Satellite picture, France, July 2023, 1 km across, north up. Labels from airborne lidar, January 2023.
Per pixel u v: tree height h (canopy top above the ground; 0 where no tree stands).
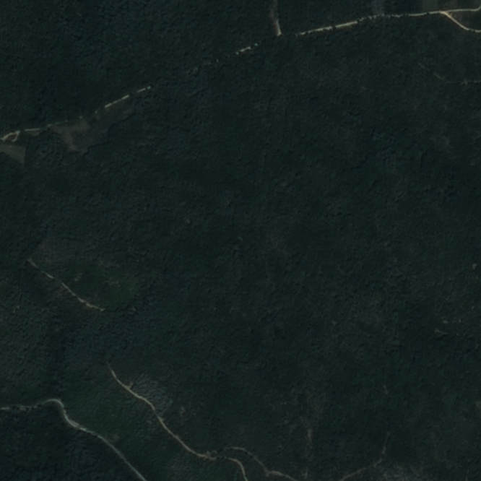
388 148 18
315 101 22
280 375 15
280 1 14
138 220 12
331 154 19
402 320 22
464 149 10
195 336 18
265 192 18
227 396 16
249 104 12
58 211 12
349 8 17
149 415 10
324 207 20
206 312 12
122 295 6
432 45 7
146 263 10
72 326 6
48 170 11
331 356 17
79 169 9
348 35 12
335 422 21
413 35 12
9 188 18
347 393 23
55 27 19
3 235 13
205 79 18
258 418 12
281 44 16
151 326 16
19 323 17
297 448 11
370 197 15
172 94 15
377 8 17
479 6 0
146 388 12
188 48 11
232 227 13
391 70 17
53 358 33
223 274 8
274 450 11
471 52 8
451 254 15
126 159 14
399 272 20
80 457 27
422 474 9
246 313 11
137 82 9
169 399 11
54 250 15
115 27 21
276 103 18
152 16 17
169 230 12
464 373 12
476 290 13
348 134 17
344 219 19
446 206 15
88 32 19
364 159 18
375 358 19
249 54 8
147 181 15
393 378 21
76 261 6
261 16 13
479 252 17
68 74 23
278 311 11
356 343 20
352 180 20
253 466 12
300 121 12
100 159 9
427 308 17
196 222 18
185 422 7
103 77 13
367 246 16
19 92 15
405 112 11
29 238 17
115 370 13
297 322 13
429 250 14
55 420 14
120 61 14
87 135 0
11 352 19
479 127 13
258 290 10
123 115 0
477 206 21
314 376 14
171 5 18
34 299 23
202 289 14
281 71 16
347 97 20
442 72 7
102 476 31
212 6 9
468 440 7
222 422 17
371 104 10
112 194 12
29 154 11
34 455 26
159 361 13
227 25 17
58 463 19
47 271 7
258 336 14
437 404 12
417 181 12
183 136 18
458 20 0
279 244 6
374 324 13
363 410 20
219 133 16
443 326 9
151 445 9
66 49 28
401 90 15
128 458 8
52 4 23
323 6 15
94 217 10
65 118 11
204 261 15
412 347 20
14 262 9
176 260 15
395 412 16
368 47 12
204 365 17
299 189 8
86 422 6
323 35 10
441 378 12
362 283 26
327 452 20
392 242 18
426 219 15
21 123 13
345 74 14
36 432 8
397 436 14
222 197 20
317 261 12
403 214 14
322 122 19
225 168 15
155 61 11
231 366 16
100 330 25
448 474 13
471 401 11
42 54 17
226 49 20
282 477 8
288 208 11
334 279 19
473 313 11
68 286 6
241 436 12
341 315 13
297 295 15
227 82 16
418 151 26
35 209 15
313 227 21
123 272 6
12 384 15
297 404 13
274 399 9
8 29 13
